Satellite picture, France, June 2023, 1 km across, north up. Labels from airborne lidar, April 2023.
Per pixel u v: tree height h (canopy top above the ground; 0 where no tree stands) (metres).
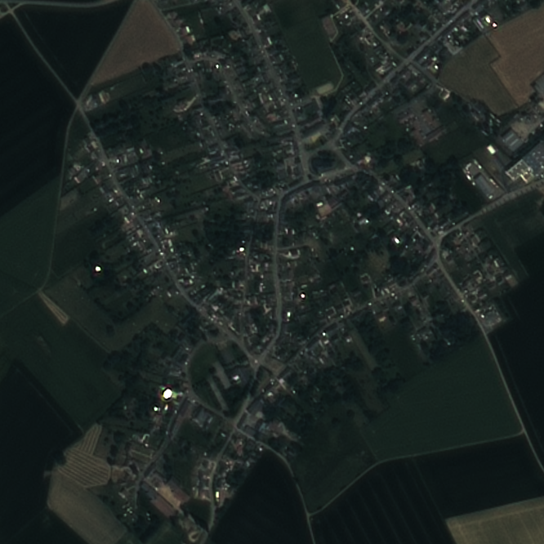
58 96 0
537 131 7
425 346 17
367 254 6
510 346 0
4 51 0
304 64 0
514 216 0
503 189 0
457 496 0
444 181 15
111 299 0
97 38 0
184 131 6
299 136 0
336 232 0
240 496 0
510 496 0
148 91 0
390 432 0
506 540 0
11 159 0
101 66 0
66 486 0
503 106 0
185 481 0
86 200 0
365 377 0
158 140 0
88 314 0
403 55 0
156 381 0
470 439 0
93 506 0
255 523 0
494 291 0
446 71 0
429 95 0
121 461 0
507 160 0
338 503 0
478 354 0
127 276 0
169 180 6
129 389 7
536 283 0
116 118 10
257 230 10
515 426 0
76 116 0
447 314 13
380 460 0
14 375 0
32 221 0
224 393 9
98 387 0
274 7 0
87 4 0
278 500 0
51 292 0
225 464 0
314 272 0
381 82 0
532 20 0
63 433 0
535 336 0
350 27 0
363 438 0
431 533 0
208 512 0
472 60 0
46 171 0
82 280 0
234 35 0
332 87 0
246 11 0
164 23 0
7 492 0
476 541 0
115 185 0
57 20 0
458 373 0
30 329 0
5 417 0
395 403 0
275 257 0
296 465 0
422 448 0
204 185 0
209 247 9
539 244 0
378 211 13
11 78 0
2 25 0
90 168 0
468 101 0
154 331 6
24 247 0
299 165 0
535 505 0
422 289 0
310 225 0
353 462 0
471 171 0
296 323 6
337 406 0
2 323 0
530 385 0
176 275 0
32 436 0
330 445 0
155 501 0
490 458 0
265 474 0
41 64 0
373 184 7
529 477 0
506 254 0
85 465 0
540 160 0
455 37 6
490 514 0
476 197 0
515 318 0
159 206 0
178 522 0
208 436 6
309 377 7
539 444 0
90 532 0
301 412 8
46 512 0
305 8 0
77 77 0
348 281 0
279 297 0
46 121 0
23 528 0
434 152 0
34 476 0
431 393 0
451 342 10
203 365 0
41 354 0
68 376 0
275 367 0
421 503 0
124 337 0
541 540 0
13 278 0
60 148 0
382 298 0
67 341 0
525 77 0
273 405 7
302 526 0
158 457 0
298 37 0
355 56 0
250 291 0
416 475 0
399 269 16
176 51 0
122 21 0
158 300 0
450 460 0
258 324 9
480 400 0
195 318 16
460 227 0
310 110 0
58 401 0
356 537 0
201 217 0
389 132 0
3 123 0
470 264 6
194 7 0
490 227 0
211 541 0
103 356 0
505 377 0
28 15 0
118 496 0
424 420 0
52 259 0
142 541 13
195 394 0
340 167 0
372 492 0
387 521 0
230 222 10
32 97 0
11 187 0
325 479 0
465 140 0
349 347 0
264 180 7
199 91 0
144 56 0
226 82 0
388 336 0
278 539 0
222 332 0
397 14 6
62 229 0
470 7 0
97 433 0
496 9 0
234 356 0
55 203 0
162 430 10
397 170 0
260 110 0
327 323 0
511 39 0
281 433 0
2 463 0
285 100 0
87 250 0
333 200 0
